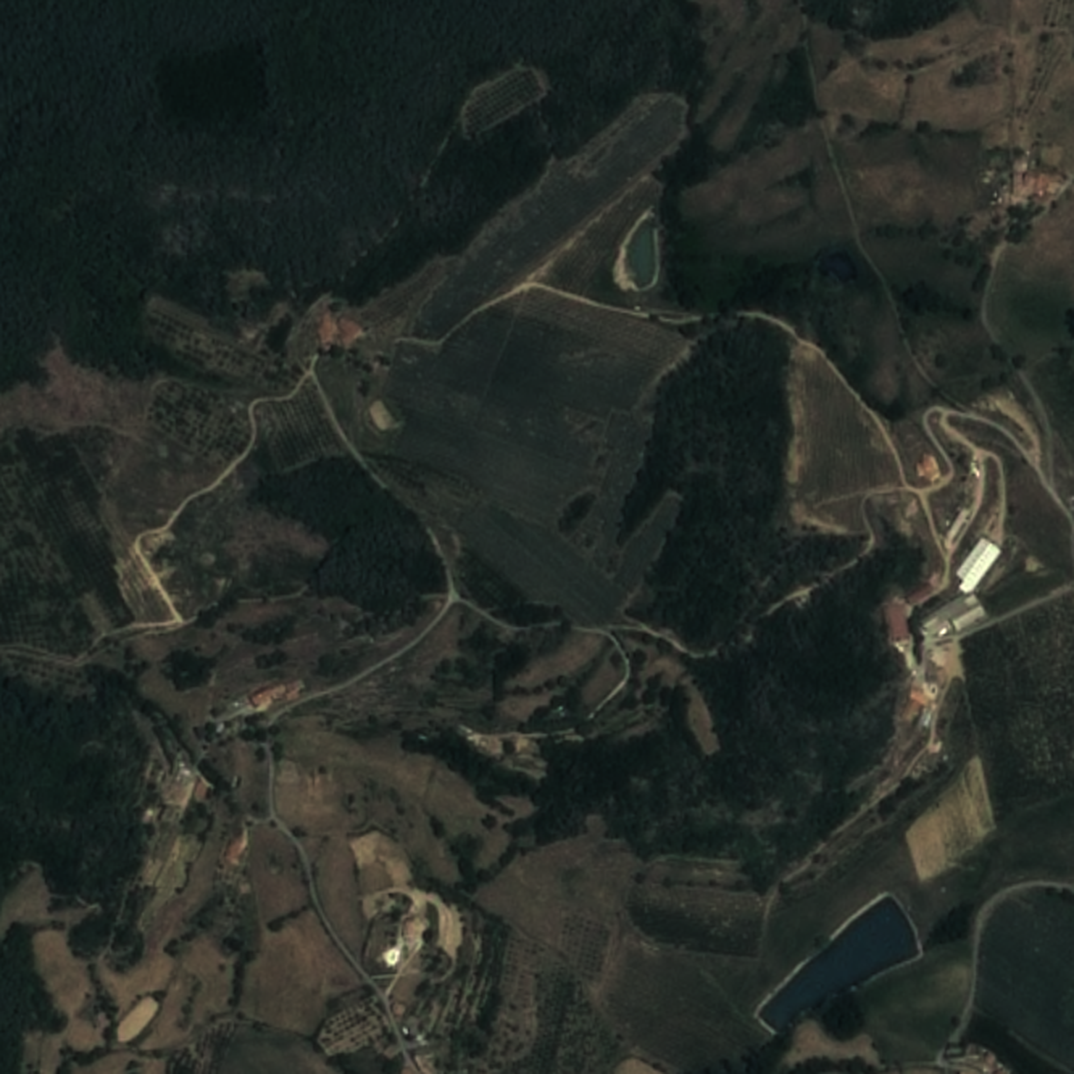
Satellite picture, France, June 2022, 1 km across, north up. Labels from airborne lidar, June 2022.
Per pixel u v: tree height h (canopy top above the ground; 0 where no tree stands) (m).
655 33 11
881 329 0
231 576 0
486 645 6
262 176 8
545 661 0
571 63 9
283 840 0
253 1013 0
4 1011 22
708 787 5
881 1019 0
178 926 0
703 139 9
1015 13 0
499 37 19
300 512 13
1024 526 0
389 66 11
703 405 11
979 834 0
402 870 0
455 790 0
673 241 12
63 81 19
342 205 10
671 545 11
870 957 0
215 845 0
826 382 0
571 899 0
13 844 9
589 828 7
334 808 0
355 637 7
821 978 0
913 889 0
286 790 0
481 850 0
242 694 0
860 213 0
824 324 10
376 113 12
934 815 0
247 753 0
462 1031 6
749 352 9
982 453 0
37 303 10
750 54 0
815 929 0
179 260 10
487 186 9
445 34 14
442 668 8
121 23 14
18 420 0
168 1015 0
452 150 6
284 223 8
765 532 13
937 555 0
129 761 7
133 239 14
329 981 0
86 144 13
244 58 10
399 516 10
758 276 8
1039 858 0
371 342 0
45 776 10
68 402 0
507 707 0
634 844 9
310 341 0
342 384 0
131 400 0
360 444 0
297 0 16
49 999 14
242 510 0
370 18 11
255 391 0
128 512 0
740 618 8
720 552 11
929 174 0
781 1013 0
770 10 0
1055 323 0
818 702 8
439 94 15
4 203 14
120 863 10
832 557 14
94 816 10
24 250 14
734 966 0
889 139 0
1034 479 0
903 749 0
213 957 0
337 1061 7
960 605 0
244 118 15
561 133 12
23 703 19
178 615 0
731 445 9
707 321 10
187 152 6
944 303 26
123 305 16
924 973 0
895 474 0
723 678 9
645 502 8
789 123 7
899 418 9
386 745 0
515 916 0
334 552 10
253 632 9
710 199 0
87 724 17
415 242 9
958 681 0
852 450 0
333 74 12
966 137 0
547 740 8
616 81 16
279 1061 0
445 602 0
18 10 18
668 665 0
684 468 14
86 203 11
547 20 17
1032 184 0
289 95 14
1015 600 0
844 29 10
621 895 0
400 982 0
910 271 0
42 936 0
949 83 0
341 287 11
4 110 21
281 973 0
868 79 0
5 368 13
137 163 11
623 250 0
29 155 16
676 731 7
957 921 17
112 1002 7
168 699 0
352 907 0
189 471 0
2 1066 18
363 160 9
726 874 0
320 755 0
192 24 20
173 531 0
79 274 17
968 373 0
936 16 11
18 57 22
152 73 23
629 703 8
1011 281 0
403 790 0
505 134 7
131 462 0
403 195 9
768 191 0
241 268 11
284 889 0
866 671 7
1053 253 0
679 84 11
